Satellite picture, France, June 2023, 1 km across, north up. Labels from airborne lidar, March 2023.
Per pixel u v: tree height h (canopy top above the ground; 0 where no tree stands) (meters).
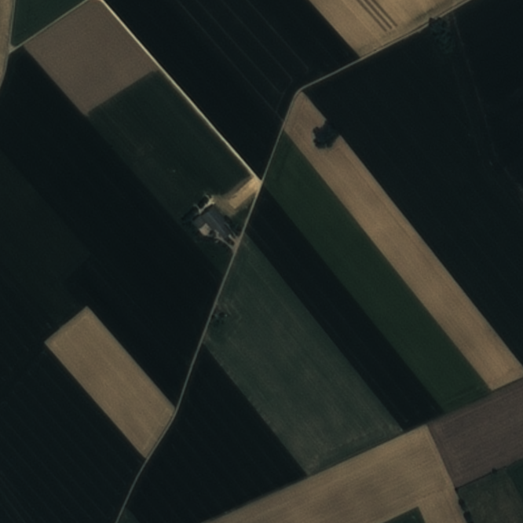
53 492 0
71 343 0
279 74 0
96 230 0
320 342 0
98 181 0
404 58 0
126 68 0
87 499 0
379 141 0
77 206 0
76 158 0
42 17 0
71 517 0
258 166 0
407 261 0
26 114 0
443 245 0
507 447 0
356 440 0
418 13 0
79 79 0
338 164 0
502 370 0
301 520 0
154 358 0
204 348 0
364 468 0
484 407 0
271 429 0
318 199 0
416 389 0
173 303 0
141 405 0
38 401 0
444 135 0
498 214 0
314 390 0
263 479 0
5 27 0
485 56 0
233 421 0
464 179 0
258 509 0
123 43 0
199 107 0
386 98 0
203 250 0
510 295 0
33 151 0
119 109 0
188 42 0
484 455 0
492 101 0
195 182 0
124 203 0
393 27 0
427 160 0
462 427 0
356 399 0
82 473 0
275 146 0
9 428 0
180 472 0
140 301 0
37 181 0
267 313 0
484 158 0
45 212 0
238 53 0
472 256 0
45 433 0
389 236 0
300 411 0
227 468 0
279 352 0
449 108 0
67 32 0
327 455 0
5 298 0
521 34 0
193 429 0
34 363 0
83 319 0
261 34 0
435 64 0
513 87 0
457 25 0
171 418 0
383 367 0
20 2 0
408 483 0
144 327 0
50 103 0
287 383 0
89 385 0
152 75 0
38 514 0
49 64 0
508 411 0
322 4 0
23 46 0
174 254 0
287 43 0
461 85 0
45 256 0
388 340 0
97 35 0
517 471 0
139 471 0
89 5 0
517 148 0
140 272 0
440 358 0
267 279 0
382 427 0
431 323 0
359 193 0
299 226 0
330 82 0
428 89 0
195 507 0
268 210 0
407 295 0
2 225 0
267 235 0
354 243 0
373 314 0
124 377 0
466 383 0
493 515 0
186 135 0
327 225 0
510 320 0
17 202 0
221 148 0
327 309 0
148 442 0
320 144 16
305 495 0
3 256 0
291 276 0
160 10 0
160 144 0
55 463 0
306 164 0
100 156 0
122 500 0
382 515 0
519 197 0
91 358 0
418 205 0
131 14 0
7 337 0
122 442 0
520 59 0
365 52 0
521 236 0
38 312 0
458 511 0
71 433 0
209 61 0
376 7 0
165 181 0
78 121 0
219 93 0
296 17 0
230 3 0
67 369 0
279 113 0
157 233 0
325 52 0
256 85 0
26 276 0
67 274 0
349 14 0
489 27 0
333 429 0
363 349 0
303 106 0
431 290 0
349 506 0
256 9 0
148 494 0
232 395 0
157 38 0
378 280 0
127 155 0
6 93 0
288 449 0
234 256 0
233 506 0
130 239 0
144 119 0
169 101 0
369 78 0
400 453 0
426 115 0
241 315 0
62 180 0
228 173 0
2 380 0
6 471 0
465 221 0
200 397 0
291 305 0
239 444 0
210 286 0
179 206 0
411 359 0
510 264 0
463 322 0
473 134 0
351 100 0
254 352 0
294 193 0
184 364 0
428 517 0
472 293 0
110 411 0
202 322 0
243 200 0
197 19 0
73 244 0
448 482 0
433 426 0
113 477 0
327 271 0
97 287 0
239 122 0
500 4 0
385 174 0
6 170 0
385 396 0
